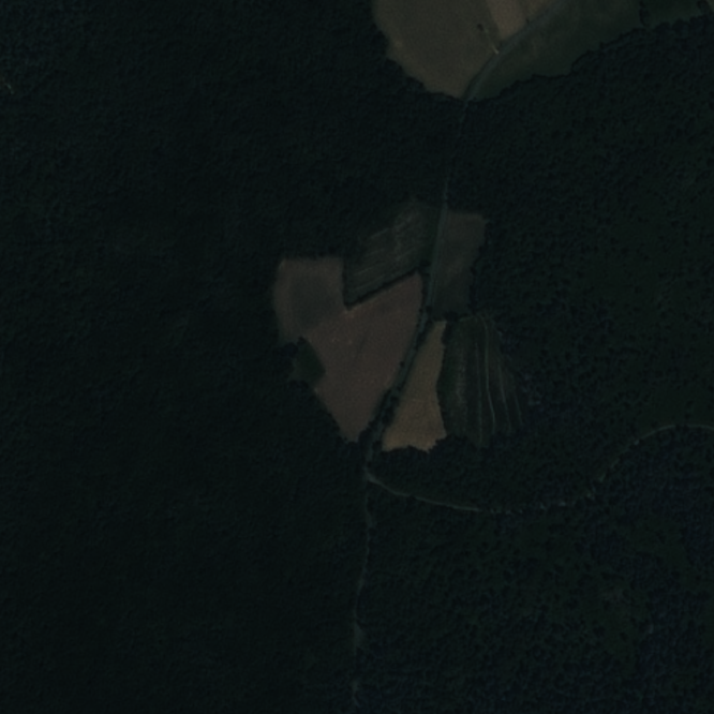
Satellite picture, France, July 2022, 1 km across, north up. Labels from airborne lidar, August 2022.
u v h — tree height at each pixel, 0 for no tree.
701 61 18
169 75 17
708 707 10
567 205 11
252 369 18
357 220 23
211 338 16
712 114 6
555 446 19
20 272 20
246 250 17
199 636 18
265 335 17
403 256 0
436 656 23
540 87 7
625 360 15
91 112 12
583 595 20
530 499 10
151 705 18
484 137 16
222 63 16
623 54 15
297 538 15
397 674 27
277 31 16
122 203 20
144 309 14
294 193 15
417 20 0
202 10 13
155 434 16
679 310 6
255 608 17
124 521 16
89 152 14
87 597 16
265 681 16
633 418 6
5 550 17
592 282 6
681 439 9
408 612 14
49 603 18
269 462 15
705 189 8
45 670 18
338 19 10
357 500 11
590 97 9
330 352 0
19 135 17
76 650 17
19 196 13
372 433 10
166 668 15
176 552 15
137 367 11
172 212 19
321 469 18
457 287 0
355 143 16
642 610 6
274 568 17
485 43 0
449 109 17
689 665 16
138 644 17
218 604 15
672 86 7
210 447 17
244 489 15
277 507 20
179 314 13
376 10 0
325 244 17
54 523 19
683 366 21
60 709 22
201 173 18
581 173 12
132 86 22
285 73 14
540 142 15
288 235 11
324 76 22
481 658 9
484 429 0
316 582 16
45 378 14
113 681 22
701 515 26
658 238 8
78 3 19
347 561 17
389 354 0
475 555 6
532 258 6
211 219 16
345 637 18
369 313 0
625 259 8
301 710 18
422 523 6
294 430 16
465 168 11
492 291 13
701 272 7
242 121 22
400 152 11
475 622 8
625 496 20
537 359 6
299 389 18
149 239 13
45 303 16
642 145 18
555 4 0
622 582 6
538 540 8
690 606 20
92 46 21
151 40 16
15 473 11
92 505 15
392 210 9
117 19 18
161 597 16
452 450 8
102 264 15
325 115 21
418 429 0
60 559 17
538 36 0
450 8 0
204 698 22
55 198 13
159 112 15
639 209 9
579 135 8
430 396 0
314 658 17
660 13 0
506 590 14
